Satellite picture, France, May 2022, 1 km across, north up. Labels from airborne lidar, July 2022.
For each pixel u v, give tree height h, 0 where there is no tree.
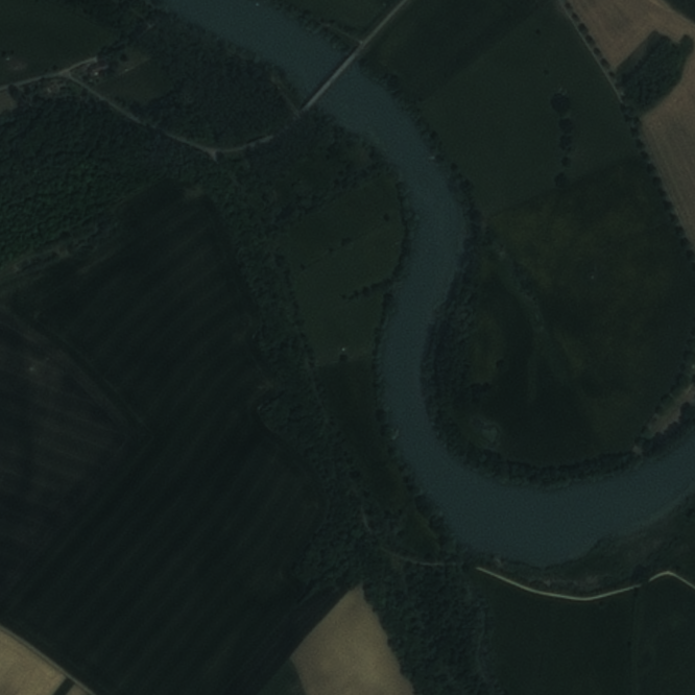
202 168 17
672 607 0
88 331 0
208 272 0
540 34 10
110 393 0
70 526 0
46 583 0
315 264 0
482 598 10
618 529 0
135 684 0
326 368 0
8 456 0
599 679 0
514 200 0
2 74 0
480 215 25
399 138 0
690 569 0
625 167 0
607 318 0
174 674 0
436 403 18
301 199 16
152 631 0
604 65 14
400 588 10
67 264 0
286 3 8
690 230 0
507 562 9
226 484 0
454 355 26
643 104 19
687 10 0
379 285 7
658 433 0
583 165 0
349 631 0
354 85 0
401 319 0
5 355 0
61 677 0
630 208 0
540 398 0
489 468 19
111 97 0
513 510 0
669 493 0
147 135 8
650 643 0
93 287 0
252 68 24
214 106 38
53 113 13
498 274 0
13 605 0
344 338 0
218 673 0
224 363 0
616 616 0
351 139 13
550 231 0
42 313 0
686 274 0
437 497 0
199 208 0
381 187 0
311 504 0
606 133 0
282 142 35
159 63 30
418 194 0
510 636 0
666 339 0
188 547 0
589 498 0
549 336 0
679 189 0
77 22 0
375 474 0
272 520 0
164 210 0
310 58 0
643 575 22
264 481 0
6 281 0
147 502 0
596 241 0
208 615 0
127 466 0
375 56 0
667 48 14
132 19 6
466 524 0
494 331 0
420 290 0
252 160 34
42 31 0
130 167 15
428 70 0
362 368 0
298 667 0
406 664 14
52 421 0
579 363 0
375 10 0
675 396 9
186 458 0
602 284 0
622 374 0
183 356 0
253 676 0
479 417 0
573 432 0
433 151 15
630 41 0
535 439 0
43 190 10
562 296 0
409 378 0
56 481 0
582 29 15
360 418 0
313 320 0
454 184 18
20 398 0
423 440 0
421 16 0
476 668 7
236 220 15
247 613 0
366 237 0
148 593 0
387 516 14
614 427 0
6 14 0
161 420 0
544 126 0
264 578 0
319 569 12
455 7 0
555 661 0
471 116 0
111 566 0
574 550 0
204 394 0
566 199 0
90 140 17
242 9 0
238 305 0
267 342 10
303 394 19
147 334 0
